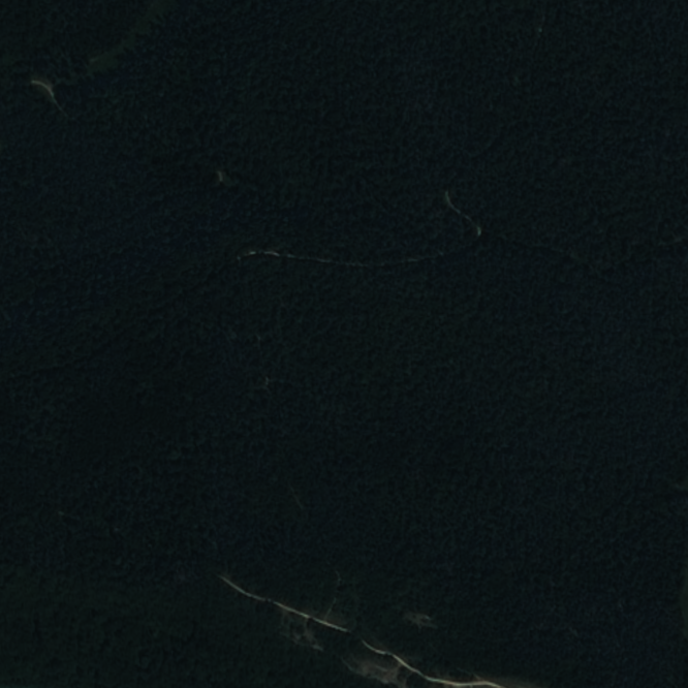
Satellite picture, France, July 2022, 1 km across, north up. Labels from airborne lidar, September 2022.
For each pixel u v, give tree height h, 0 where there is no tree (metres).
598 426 21
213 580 13
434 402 15
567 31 18
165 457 12
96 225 20
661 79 20
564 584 11
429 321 10
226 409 22
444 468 13
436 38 21
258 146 13
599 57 19
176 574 15
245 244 18
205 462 21
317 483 12
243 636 22
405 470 18
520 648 13
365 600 8
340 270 12
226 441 9
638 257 13
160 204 19
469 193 21
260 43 15
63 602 22
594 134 19
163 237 33
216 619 21
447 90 20
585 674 8
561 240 16
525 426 19
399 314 12
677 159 19
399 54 21
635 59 16
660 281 21
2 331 27
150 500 19
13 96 20
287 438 14
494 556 15
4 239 25
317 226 20
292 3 22
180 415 17
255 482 14
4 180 23
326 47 15
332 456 9
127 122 13
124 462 18
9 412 23
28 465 20
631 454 22
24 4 16
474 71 14
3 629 23
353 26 11
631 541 23
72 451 19
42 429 26
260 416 13
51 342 19
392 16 14
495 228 15
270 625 13
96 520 22
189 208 23
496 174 15
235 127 16
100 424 22
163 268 29
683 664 6
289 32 18
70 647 28
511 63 17
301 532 18
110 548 9
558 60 9
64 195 21
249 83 14
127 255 17
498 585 23
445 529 14
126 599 22
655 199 6
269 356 8
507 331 17
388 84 10
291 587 14
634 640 22
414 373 14
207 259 21
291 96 7
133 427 24
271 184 20
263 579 12
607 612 21
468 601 15
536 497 16
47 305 29
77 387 20
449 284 17
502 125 23
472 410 18
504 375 13
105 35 21
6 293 22
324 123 22
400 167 18
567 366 17
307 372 10
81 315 27
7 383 19
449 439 10
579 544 16
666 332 18
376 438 16
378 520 12
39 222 21
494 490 15
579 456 22
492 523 17
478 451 20
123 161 22
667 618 21
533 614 17
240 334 19
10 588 15
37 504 20
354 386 13
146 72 22
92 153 23
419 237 18
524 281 25
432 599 11
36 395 21
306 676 21
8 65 11
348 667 14
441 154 18
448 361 17
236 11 6
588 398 14
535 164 17
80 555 21
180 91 15
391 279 15
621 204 12
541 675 11
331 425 13
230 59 12
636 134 10
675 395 16
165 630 19
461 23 10
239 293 20
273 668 16
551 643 15
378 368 12
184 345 17
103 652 22
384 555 17
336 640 14
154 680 26
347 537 12
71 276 24
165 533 11
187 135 22
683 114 19
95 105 15
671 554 15
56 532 17
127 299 26
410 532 9
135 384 26
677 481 11
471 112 26
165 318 21
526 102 17
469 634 12
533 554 20
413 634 9
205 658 24
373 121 17
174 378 16
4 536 10
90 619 25
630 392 24
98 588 17
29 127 22
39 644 25
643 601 24
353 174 6
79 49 18
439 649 7
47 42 15
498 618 14
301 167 14
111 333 19
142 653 27
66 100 9
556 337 24
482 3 18
